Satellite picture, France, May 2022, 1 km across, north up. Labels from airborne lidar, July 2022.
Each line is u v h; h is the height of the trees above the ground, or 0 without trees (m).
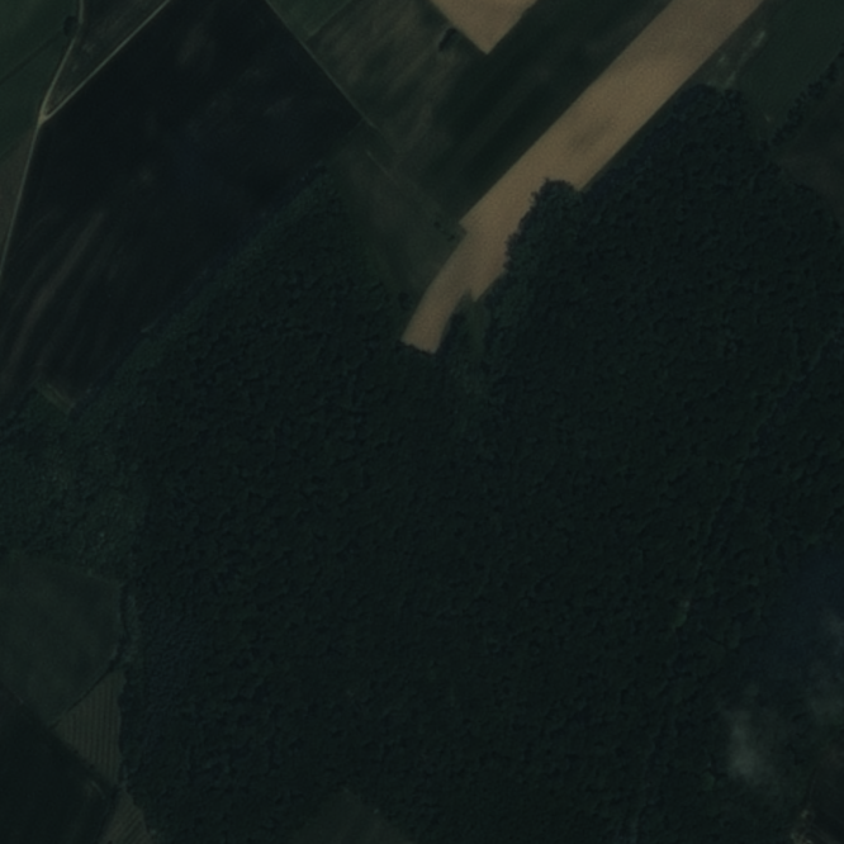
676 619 30
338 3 0
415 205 0
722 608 32
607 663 28
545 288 27
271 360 25
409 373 24
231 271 24
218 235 0
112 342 0
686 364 25
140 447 30
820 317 22
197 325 22
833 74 12
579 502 23
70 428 18
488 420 26
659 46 0
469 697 27
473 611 26
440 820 22
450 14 0
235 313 28
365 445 25
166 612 18
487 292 0
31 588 0
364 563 22
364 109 0
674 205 28
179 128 0
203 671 22
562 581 27
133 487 24
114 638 0
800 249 23
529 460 21
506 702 28
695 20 0
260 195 0
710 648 34
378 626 24
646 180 28
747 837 30
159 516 29
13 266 0
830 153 0
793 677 30
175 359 23
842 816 0
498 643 27
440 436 24
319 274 22
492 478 23
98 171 0
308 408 24
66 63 0
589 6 0
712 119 29
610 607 27
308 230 26
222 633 29
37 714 0
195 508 24
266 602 23
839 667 23
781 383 26
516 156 0
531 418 23
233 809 31
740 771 29
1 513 19
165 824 19
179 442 24
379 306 25
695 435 28
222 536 25
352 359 25
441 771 19
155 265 0
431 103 0
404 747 27
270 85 0
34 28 0
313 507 22
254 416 25
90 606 0
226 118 0
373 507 24
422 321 0
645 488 25
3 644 0
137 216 0
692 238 24
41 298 0
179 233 0
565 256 27
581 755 27
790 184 14
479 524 23
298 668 30
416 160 0
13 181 0
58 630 0
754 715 33
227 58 0
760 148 15
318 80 0
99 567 15
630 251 28
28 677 0
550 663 25
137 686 15
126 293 0
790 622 28
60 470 27
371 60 0
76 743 0
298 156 0
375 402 23
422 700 27
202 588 26
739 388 30
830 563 27
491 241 0
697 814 31
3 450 18
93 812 0
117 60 0
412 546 22
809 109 14
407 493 20
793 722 27
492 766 23
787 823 23
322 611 26
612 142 0
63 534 20
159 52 0
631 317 21
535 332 27
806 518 31
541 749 25
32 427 21
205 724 25
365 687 25
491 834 17
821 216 16
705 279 27
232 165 0
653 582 33
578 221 27
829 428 29
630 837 24
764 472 29
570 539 26
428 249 0
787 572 29
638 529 23
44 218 0
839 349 24
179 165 0
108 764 0
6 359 0
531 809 20
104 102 0
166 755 23
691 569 27
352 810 0
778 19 0
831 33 0
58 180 0
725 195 26
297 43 0
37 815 0
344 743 27
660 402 24
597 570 27
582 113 0
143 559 24
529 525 25
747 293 18
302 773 30
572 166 0
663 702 28
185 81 0
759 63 0
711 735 32
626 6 0
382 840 0
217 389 26
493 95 0
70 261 0
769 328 23
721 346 24
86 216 0
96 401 22
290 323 20
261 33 0
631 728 28
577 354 25
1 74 0
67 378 0
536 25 0
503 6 0
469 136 0
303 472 26
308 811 22
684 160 28
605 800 19
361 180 0
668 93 0
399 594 21
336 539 26
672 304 26
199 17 0
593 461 24
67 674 0
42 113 0
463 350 21
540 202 22
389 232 0
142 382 24
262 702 25
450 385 25
